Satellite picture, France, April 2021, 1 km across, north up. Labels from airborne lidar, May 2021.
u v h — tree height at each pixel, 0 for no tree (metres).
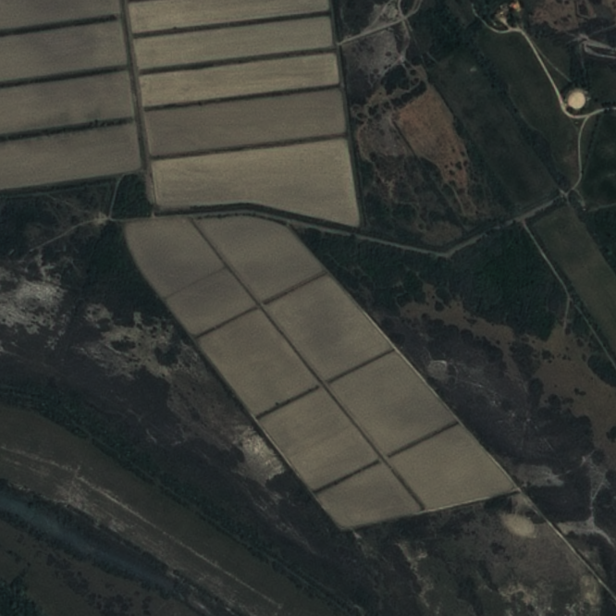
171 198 0
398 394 0
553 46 0
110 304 0
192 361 0
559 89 0
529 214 0
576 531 0
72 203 0
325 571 0
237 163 0
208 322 0
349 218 0
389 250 6
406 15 0
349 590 0
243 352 0
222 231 0
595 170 0
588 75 7
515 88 0
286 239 0
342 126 0
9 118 0
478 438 0
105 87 0
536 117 0
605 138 0
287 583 0
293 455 0
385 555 0
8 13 0
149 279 0
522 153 0
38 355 0
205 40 0
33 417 0
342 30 0
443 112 0
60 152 0
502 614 0
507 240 10
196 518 0
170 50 0
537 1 0
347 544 0
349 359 0
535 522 0
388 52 0
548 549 0
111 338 0
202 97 0
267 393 0
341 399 0
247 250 0
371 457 0
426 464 0
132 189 6
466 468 0
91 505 0
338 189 0
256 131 0
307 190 0
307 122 0
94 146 0
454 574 0
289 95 0
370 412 0
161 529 0
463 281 7
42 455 0
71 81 0
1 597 7
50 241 0
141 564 0
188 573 0
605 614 0
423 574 0
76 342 0
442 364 0
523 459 0
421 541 0
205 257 0
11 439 0
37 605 12
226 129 0
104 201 0
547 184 0
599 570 0
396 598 0
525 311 6
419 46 0
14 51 0
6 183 0
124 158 0
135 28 0
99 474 0
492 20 10
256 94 0
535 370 0
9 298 0
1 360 0
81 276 0
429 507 0
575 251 0
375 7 0
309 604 0
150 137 0
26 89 0
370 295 0
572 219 0
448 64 0
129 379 0
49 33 0
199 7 0
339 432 0
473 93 0
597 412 0
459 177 0
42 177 0
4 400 8
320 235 6
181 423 0
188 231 0
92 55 0
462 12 0
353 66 0
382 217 5
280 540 0
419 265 6
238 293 0
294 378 0
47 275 0
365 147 0
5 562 0
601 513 0
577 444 0
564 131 0
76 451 0
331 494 0
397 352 0
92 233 0
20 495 0
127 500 0
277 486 0
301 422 0
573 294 10
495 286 6
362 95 0
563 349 0
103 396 0
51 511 0
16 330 0
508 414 0
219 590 0
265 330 0
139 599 0
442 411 0
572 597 0
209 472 0
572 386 0
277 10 0
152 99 0
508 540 0
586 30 0
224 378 0
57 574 0
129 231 0
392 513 0
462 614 0
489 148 0
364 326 0
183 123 0
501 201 6
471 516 0
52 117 0
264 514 0
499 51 0
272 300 0
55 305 0
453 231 0
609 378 6
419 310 0
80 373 0
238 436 0
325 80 0
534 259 6
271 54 0
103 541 0
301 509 0
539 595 0
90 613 0
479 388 0
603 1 0
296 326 0
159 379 0
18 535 0
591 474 0
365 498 0
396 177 0
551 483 0
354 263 6
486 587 0
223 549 0
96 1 0
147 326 0
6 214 6
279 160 0
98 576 0
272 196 0
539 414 0
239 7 0
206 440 0
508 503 0
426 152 0
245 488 0
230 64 0
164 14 0
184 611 0
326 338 0
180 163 0
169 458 0
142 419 0
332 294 0
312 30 0
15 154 0
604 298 0
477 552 0
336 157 0
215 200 0
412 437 0
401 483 0
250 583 0
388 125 0
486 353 0
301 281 0
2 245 6
